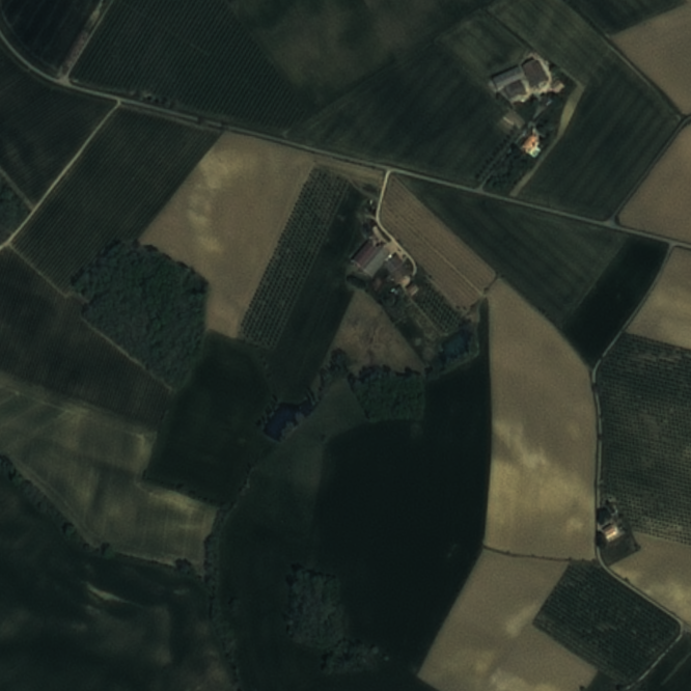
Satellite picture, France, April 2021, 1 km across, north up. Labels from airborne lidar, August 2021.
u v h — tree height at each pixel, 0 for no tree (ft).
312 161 0
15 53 0
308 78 0
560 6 0
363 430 0
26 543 0
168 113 0
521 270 0
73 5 0
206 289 59
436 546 0
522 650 0
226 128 40
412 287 0
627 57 0
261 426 49
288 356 0
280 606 0
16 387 0
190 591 0
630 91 0
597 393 40
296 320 0
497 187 22
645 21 0
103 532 0
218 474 0
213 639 0
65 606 0
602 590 17
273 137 0
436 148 0
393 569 0
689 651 0
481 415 0
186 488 37
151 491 0
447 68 0
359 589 0
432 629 0
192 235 0
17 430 0
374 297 0
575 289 0
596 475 0
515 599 0
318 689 0
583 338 0
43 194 0
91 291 51
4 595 0
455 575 0
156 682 0
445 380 0
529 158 37
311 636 75
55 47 0
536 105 34
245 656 0
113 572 0
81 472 0
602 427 0
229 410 0
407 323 0
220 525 25
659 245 0
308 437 0
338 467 0
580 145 0
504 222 0
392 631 0
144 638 0
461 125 0
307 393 0
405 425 0
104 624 0
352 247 0
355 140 0
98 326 53
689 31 0
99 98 0
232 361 0
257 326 19
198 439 0
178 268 62
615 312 0
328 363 0
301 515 0
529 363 0
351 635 0
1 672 0
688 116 0
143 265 83
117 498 0
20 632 0
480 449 0
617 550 0
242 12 0
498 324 0
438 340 0
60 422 0
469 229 0
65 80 0
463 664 0
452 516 0
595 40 0
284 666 0
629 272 0
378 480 0
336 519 0
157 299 74
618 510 0
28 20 0
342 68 0
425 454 0
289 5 0
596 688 0
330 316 0
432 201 0
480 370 0
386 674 0
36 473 0
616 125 0
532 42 0
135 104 0
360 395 46
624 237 0
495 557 0
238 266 0
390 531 0
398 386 62
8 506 0
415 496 0
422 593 0
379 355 0
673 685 0
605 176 0
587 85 0
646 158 0
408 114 0
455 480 0
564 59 0
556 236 0
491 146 0
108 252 36
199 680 0
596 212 0
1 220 62
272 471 0
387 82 0
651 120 0
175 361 57
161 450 0
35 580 0
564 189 0
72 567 0
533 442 0
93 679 0
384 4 0
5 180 29
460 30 0
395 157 0
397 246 0
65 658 0
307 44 0
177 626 0
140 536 0
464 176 0
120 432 0
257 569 0
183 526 0
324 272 0
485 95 0
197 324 84
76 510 0
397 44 0
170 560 0
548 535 0
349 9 0
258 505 0
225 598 0
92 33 0
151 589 0
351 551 0
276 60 0
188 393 0
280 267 19
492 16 0
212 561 51
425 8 0
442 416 0
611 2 0
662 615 17
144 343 61
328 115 0
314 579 57
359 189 0
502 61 0
